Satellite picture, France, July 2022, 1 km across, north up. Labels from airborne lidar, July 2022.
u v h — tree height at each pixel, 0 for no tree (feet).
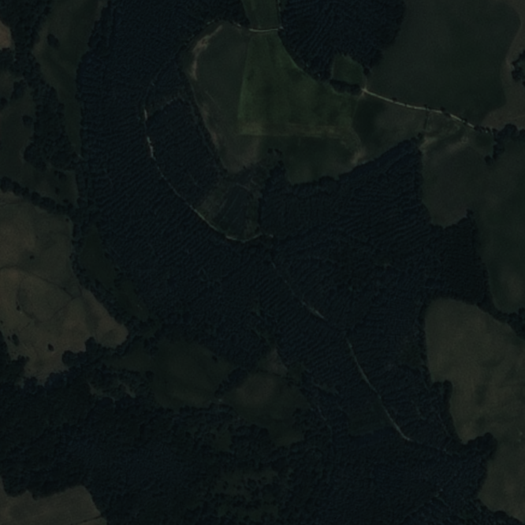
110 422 83
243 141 0
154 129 73
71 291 0
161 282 84
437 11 0
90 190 58
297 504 86
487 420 0
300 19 84
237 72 0
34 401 75
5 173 0
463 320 0
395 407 61
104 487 76
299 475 66
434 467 86
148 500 72
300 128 0
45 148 49
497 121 0
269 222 72
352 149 0
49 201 40
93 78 82
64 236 0
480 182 0
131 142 82
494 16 0
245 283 98
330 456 68
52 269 0
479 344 0
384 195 72
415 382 87
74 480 42
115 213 96
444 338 0
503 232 0
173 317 70
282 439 0
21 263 0
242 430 50
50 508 0
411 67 0
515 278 0
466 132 0
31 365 0
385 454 62
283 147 0
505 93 0
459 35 0
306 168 0
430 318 0
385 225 58
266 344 72
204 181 68
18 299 0
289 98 0
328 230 95
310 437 39
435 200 0
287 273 53
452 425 61
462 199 0
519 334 26
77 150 0
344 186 81
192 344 43
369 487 70
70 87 0
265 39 0
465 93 0
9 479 48
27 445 66
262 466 69
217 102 0
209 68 0
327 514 62
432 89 0
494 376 0
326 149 0
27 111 0
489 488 0
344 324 83
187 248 81
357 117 0
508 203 0
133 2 79
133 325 35
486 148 0
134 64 89
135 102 67
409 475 68
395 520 72
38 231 0
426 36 0
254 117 0
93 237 0
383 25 86
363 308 73
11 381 40
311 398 80
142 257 91
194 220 70
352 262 52
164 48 93
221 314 94
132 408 95
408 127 0
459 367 0
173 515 81
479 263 32
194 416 46
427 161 0
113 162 74
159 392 0
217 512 84
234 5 45
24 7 83
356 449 96
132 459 98
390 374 55
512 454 0
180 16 82
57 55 0
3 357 59
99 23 22
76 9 0
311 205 74
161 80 70
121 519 56
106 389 30
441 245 75
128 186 82
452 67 0
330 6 107
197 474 90
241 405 0
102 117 69
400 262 58
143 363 0
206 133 65
